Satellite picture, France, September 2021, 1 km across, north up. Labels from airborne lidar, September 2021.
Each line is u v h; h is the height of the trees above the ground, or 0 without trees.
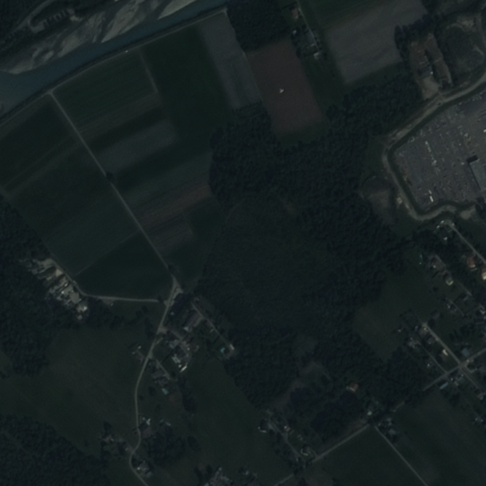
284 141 0
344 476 0
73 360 0
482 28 0
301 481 0
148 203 0
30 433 18
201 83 0
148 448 6
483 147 0
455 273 11
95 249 0
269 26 19
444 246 8
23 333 21
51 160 0
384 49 0
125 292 0
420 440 0
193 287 0
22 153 0
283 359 20
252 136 5
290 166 23
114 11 0
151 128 0
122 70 0
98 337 0
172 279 0
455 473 0
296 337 20
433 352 13
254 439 0
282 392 21
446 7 0
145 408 0
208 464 0
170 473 0
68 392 0
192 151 0
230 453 0
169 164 0
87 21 0
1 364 0
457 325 0
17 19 17
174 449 29
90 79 0
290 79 0
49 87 0
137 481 0
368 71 0
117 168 0
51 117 0
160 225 0
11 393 0
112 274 0
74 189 0
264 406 16
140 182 0
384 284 13
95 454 0
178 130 0
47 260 0
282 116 0
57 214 0
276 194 19
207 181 0
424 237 18
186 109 0
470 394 0
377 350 0
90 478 27
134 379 0
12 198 0
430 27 23
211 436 0
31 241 24
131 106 0
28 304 29
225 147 18
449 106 0
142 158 0
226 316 7
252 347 25
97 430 0
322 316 20
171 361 0
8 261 26
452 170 0
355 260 14
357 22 0
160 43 0
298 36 13
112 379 0
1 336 15
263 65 0
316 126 0
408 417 0
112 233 0
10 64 0
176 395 0
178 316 22
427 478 0
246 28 18
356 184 14
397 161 0
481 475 0
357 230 15
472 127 0
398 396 22
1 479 16
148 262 0
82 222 0
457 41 0
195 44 0
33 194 0
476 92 0
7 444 19
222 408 0
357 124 22
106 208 0
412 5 0
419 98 20
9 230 26
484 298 12
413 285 0
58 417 0
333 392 20
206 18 0
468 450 0
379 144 0
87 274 0
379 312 0
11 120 0
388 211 0
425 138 0
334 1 0
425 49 0
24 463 19
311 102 0
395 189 6
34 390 0
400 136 0
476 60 0
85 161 0
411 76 22
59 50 0
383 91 21
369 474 0
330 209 7
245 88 0
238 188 20
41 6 0
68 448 22
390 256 23
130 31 0
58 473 20
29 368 21
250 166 11
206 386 0
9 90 0
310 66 0
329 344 8
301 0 0
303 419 26
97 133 0
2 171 0
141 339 0
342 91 0
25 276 24
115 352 0
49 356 0
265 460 0
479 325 6
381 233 21
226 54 0
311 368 0
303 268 0
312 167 20
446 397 11
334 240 20
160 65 0
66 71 0
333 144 16
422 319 0
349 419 25
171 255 0
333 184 12
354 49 0
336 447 0
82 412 0
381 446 0
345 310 23
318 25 0
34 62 0
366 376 22
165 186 0
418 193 0
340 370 22
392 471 0
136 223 0
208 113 0
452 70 16
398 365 20
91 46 0
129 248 0
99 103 0
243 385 15
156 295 0
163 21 0
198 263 0
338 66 0
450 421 0
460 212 0
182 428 0
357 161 17
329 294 21
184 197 0
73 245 0
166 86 0
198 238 0
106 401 0
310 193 12
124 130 0
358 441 0
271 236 0
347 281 27
